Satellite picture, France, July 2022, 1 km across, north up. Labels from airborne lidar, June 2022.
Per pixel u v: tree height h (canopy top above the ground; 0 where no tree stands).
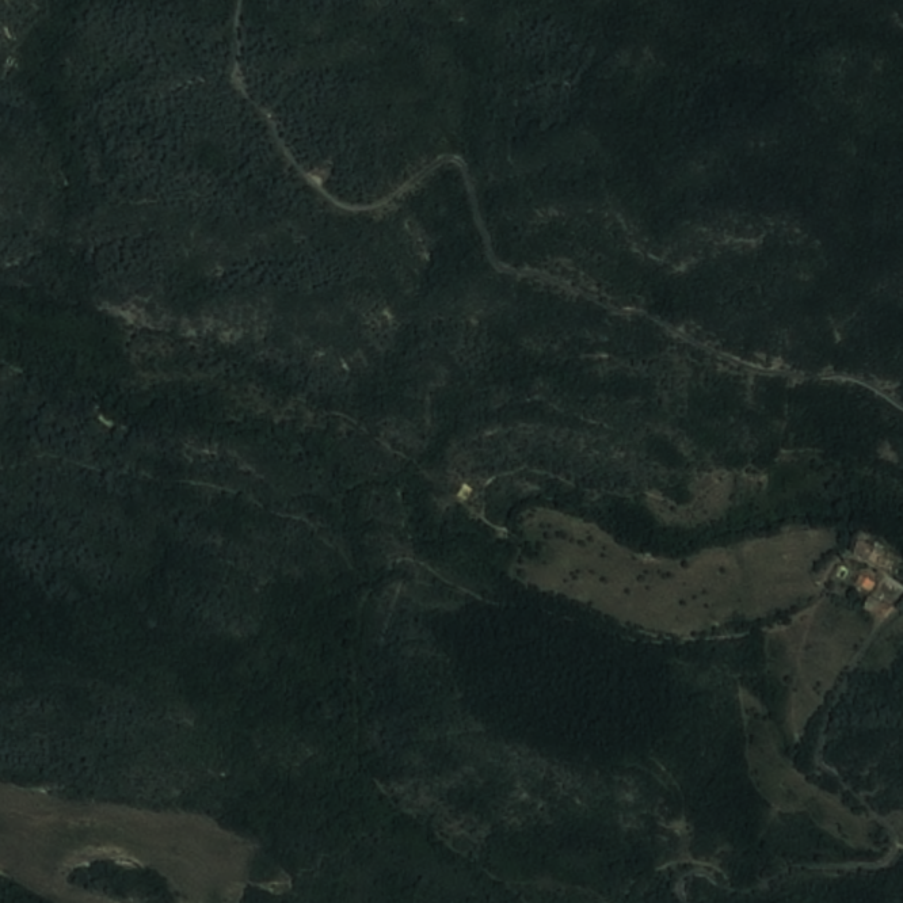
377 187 11
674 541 6
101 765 6
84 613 8
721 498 0
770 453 7
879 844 8
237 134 13
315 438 11
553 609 9
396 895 7
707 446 6
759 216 6
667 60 8
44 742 9
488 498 7
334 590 6
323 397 5
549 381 6
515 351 7
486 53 6
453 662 6
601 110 6
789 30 8
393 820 9
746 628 7
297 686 10
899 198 8
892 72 7
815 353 6
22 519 6
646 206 8
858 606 11
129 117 11
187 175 8
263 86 14
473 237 8
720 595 0
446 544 10
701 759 7
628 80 8
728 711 7
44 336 5
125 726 10
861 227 8
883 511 12
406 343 7
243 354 10
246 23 15
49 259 8
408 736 7
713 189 7
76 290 10
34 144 9
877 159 10
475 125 6
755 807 6
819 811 0
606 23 6
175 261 9
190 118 11
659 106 9
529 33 10
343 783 13
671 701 10
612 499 8
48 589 9
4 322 7
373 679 9
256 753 6
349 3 9
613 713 10
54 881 0
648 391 7
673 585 0
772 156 6
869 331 6
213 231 7
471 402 7
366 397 8
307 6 6
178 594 9
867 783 7
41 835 0
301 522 7
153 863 0
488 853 7
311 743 6
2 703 7
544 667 11
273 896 6
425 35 8
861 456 9
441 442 6
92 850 0
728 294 7
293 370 12
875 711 7
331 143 9
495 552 6
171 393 7
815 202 9
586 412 8
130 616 10
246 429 14
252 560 8
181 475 7
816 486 0
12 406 9
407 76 6
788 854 8
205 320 0
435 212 9
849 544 9
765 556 0
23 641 9
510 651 6
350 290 8
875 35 9
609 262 7
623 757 6
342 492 13
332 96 9
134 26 12
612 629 7
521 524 8
